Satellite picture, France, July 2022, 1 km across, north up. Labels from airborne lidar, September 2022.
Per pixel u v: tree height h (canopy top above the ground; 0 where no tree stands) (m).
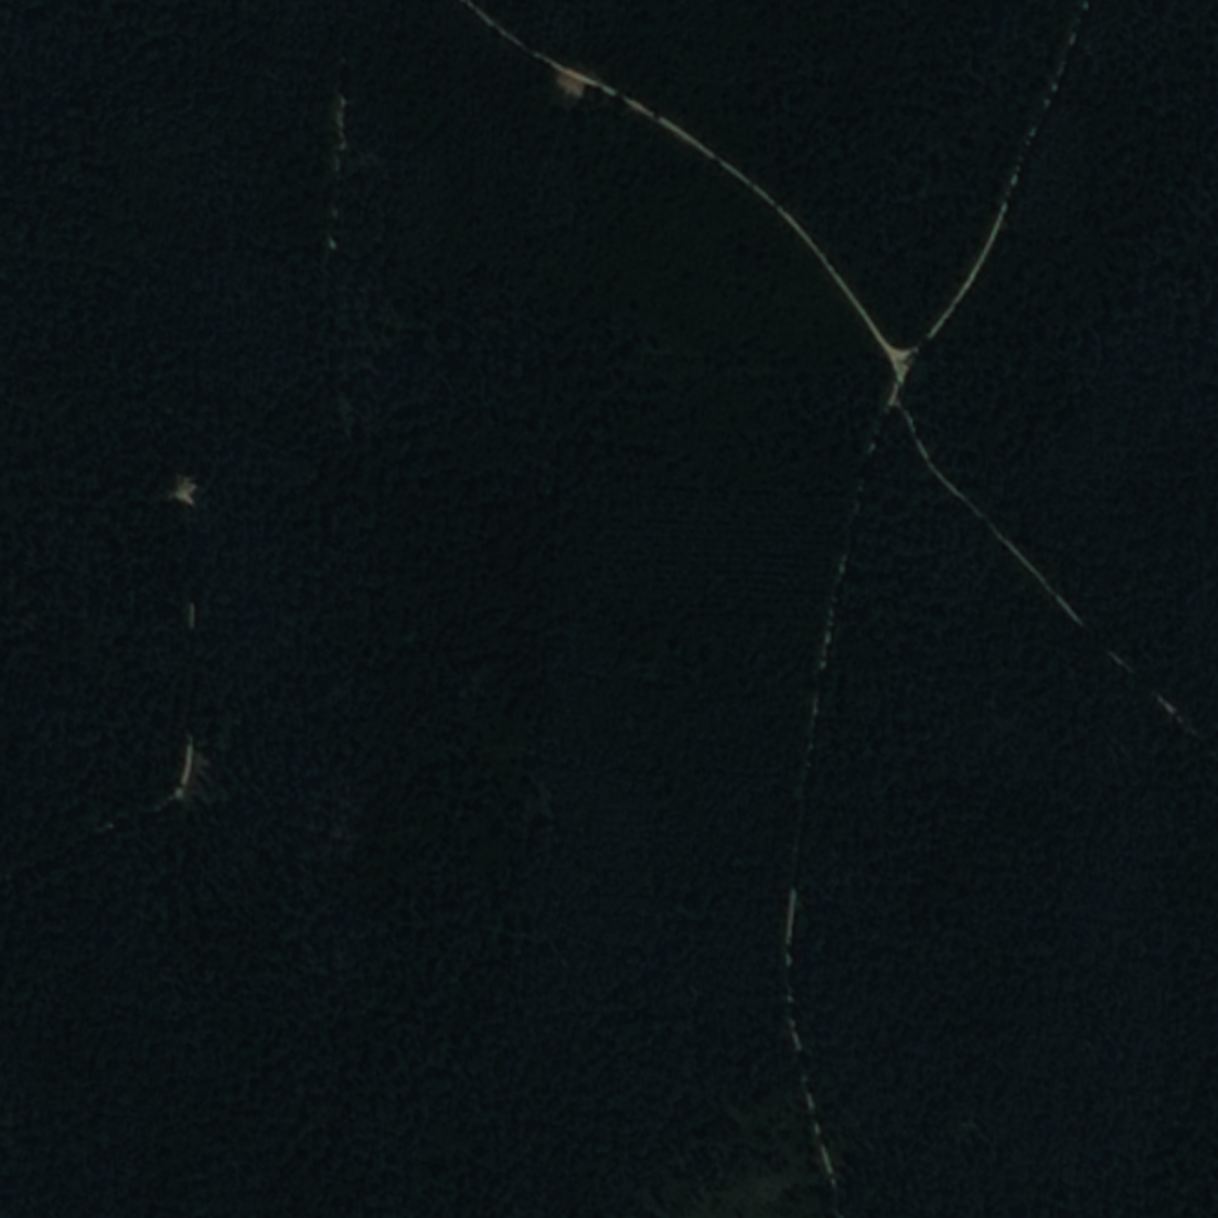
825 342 7
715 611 16
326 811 12
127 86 24
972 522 22
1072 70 12
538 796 16
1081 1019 20
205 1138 12
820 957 24
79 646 24
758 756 14
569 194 14
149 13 20
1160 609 15
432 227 13
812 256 10
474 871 8
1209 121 18
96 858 16
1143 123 9
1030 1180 19
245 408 22
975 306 8
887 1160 25
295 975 7
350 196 8
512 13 11
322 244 21
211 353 16
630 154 10
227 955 13
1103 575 13
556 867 16
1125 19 16
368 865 17
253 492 23
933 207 8
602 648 17
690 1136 21
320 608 29
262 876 7
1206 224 6
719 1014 20
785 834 15
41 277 20
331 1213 12
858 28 12
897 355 0
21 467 21
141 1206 10
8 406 19
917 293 9
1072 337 20
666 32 7
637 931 19
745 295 7
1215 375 25
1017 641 18
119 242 25
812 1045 23
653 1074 17
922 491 19
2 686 18
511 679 8
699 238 6
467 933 20
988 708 23
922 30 10
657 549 10
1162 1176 15
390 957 7
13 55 25
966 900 17
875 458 12
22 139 20
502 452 9
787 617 10
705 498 14
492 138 14
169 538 14
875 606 21
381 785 24
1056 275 8
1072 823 17
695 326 8
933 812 20
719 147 7
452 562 11
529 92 9
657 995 16
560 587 10
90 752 19
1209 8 8
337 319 21
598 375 20
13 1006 18
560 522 13
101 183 27
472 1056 20
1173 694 15
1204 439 18
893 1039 18
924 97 11
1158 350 21
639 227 6
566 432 9
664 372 8
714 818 17
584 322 9
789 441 8
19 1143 18
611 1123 19
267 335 26
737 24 7
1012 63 12
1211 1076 15
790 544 11
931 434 17
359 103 10
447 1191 19
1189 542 20
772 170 7
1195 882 16
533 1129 22
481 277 22
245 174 14
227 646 28
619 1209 19
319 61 17
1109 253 9
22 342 17
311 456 23
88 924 19
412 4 15
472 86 11
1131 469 17
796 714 15
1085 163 12
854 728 14
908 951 20
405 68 18
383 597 17
